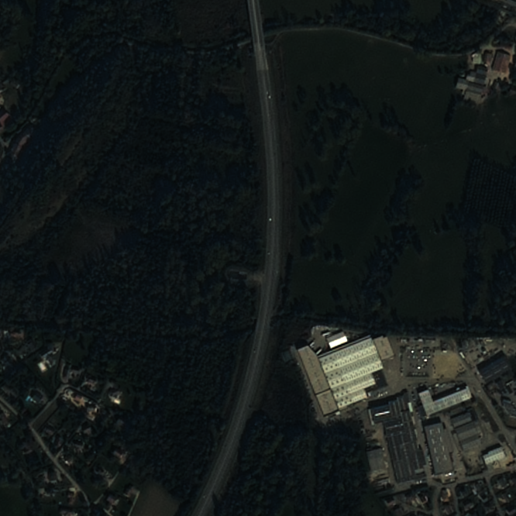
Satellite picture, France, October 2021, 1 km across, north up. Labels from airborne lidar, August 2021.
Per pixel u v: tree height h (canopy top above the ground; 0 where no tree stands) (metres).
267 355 0
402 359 0
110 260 21
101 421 12
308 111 0
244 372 0
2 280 32
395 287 0
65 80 0
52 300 26
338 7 0
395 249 12
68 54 18
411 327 16
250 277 0
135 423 14
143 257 22
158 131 6
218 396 21
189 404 13
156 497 0
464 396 0
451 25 32
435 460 0
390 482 0
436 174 0
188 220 33
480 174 12
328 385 0
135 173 15
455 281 0
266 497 6
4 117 0
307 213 0
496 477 0
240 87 0
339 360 0
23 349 0
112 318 9
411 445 0
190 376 16
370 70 0
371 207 0
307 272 0
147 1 34
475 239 35
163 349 22
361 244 0
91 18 27
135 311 26
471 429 0
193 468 9
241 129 23
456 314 0
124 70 15
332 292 0
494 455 0
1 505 0
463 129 0
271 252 0
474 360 0
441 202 0
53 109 19
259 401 0
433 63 0
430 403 0
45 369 0
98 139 12
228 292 23
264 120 0
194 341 28
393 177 0
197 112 17
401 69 0
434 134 0
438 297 0
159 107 29
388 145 0
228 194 35
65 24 12
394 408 0
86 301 28
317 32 0
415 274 0
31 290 33
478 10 20
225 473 0
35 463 12
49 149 10
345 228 0
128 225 12
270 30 15
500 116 0
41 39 16
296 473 8
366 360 0
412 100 0
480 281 34
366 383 0
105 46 19
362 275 0
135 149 7
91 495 0
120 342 13
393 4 0
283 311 7
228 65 10
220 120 37
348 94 0
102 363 9
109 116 12
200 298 34
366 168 0
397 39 9
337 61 0
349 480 10
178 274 32
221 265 31
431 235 0
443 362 0
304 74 0
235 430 0
